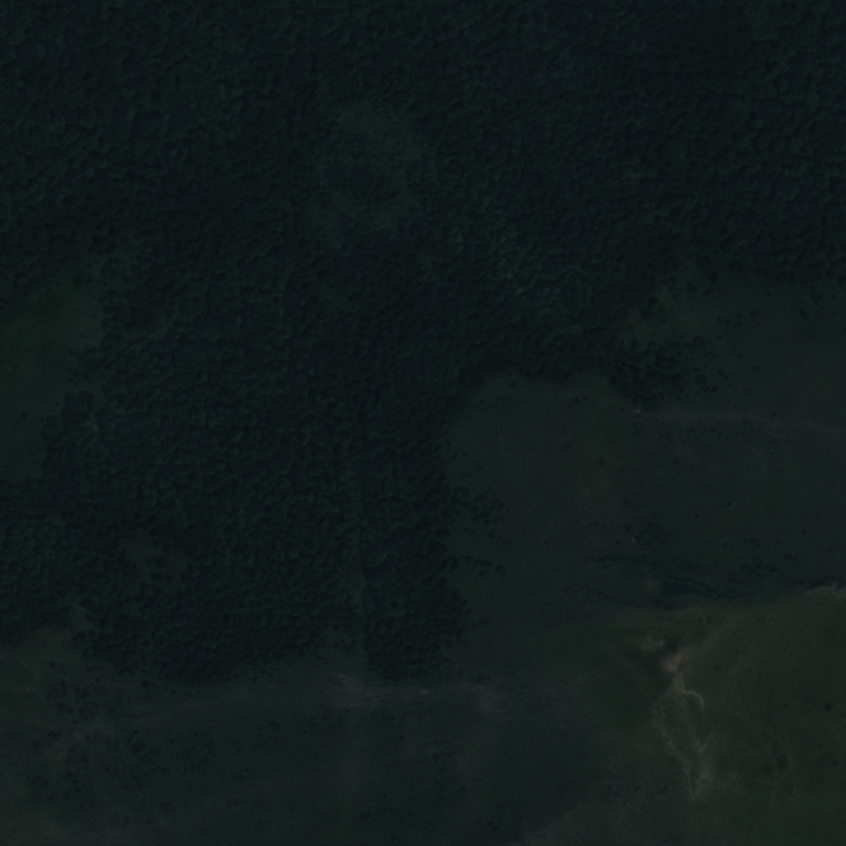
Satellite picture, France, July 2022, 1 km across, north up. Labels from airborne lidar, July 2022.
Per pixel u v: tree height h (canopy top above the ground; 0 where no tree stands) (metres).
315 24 6
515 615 0
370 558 21
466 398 7
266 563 11
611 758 0
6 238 14
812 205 25
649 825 0
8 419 0
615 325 11
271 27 12
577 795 0
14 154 33
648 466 0
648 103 16
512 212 17
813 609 0
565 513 0
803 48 14
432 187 15
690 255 18
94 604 18
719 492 0
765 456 0
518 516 0
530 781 0
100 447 24
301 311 29
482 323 15
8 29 21
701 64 10
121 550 11
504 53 23
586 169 14
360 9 22
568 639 0
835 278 17
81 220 15
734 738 0
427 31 9
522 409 0
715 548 0
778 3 10
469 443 0
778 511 0
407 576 25
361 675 0
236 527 22
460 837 0
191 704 0
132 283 16
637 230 22
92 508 24
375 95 7
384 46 17
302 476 31
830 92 14
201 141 33
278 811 0
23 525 22
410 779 0
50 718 0
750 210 16
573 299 27
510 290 23
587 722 0
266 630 14
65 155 31
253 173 10
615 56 26
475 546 0
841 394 0
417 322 18
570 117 11
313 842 0
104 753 0
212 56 8
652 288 13
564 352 20
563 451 0
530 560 0
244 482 13
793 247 23
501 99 23
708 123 23
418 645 8
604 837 0
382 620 9
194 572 15
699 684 0
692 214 16
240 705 0
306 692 0
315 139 6
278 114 26
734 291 0
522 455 0
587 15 32
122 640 11
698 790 0
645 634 0
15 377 0
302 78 37
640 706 0
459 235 15
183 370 26
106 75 33
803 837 0
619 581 0
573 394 0
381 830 0
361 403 19
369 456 14
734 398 0
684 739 0
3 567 24
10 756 0
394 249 15
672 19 29
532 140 13
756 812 0
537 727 0
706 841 0
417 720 0
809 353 0
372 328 16
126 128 33
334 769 0
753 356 0
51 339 0
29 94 35
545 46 25
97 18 36
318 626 6
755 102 17
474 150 17
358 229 16
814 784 0
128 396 12
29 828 0
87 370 12
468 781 0
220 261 26
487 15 35
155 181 17
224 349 28
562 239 17
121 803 0
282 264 33
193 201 30
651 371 8
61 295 0
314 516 27
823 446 0
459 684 0
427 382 28
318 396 31
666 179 22
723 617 0
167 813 0
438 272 9
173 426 26
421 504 30
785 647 0
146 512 12
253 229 19
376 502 28
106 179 35
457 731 0
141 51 30
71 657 0
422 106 23
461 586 0
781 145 32
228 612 14
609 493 0
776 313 0
